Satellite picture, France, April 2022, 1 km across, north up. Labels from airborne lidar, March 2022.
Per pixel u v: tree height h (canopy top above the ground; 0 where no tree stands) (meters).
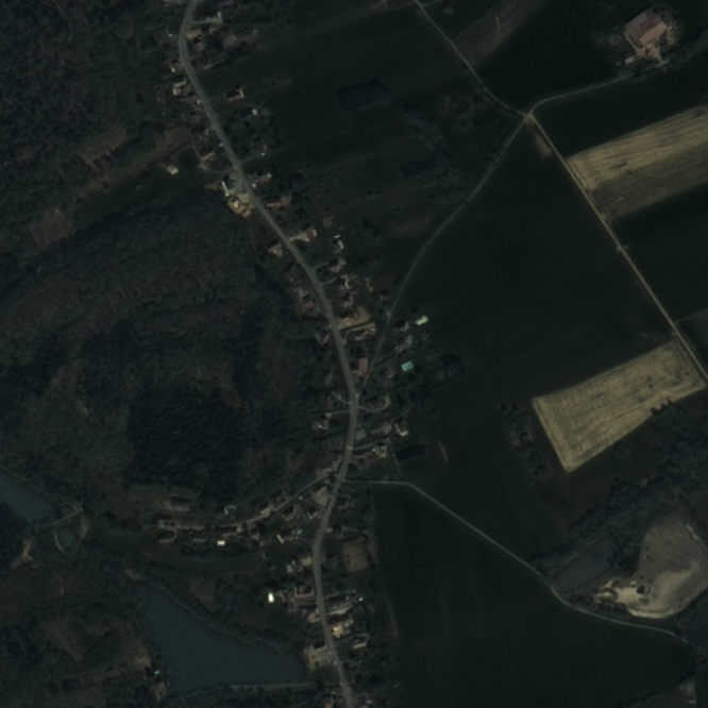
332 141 0
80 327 31
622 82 0
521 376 0
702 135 0
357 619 0
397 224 0
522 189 0
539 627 0
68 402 19
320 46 0
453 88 0
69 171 24
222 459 20
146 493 0
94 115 27
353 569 0
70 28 30
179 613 0
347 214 0
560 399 0
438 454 0
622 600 0
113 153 0
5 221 25
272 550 0
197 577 0
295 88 0
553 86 0
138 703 11
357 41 0
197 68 13
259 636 11
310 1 0
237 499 13
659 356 0
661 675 0
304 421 18
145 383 15
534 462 6
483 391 0
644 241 0
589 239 0
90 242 22
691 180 0
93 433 25
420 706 0
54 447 24
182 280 32
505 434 0
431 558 0
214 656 0
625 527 6
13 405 25
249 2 7
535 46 0
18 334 28
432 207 0
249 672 0
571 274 0
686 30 0
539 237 0
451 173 21
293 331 23
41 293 31
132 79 19
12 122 28
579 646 0
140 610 12
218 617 9
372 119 0
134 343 15
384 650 8
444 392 0
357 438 0
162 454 25
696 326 0
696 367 0
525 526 0
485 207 0
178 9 16
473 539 0
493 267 0
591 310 0
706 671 0
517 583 0
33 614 7
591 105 0
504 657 0
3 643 18
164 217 28
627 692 0
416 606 0
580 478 0
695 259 0
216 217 34
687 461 23
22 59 31
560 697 0
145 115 15
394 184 0
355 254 0
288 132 0
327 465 0
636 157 0
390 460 0
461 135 0
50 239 0
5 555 31
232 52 0
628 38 0
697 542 0
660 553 0
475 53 0
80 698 20
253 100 0
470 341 0
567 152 0
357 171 0
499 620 0
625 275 0
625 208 0
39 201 19
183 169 0
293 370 20
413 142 0
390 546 0
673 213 0
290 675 0
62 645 0
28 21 34
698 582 0
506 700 0
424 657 0
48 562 11
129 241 32
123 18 25
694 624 0
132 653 0
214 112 0
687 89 0
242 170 0
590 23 0
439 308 0
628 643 0
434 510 0
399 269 0
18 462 24
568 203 0
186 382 16
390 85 0
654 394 0
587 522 8
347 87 0
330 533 0
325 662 0
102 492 26
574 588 0
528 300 0
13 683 17
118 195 0
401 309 0
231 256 32
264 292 17
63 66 34
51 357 30
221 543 0
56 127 34
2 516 32
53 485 25
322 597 0
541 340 0
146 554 0
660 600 0
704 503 0
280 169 0
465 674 0
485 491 0
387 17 0
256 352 23
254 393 14
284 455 14
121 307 28
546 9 0
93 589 7
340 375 7
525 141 0
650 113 0
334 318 0
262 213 0
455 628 0
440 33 0
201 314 27
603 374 0
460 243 0
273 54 0
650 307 0
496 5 0
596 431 0
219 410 20
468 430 0
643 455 0
